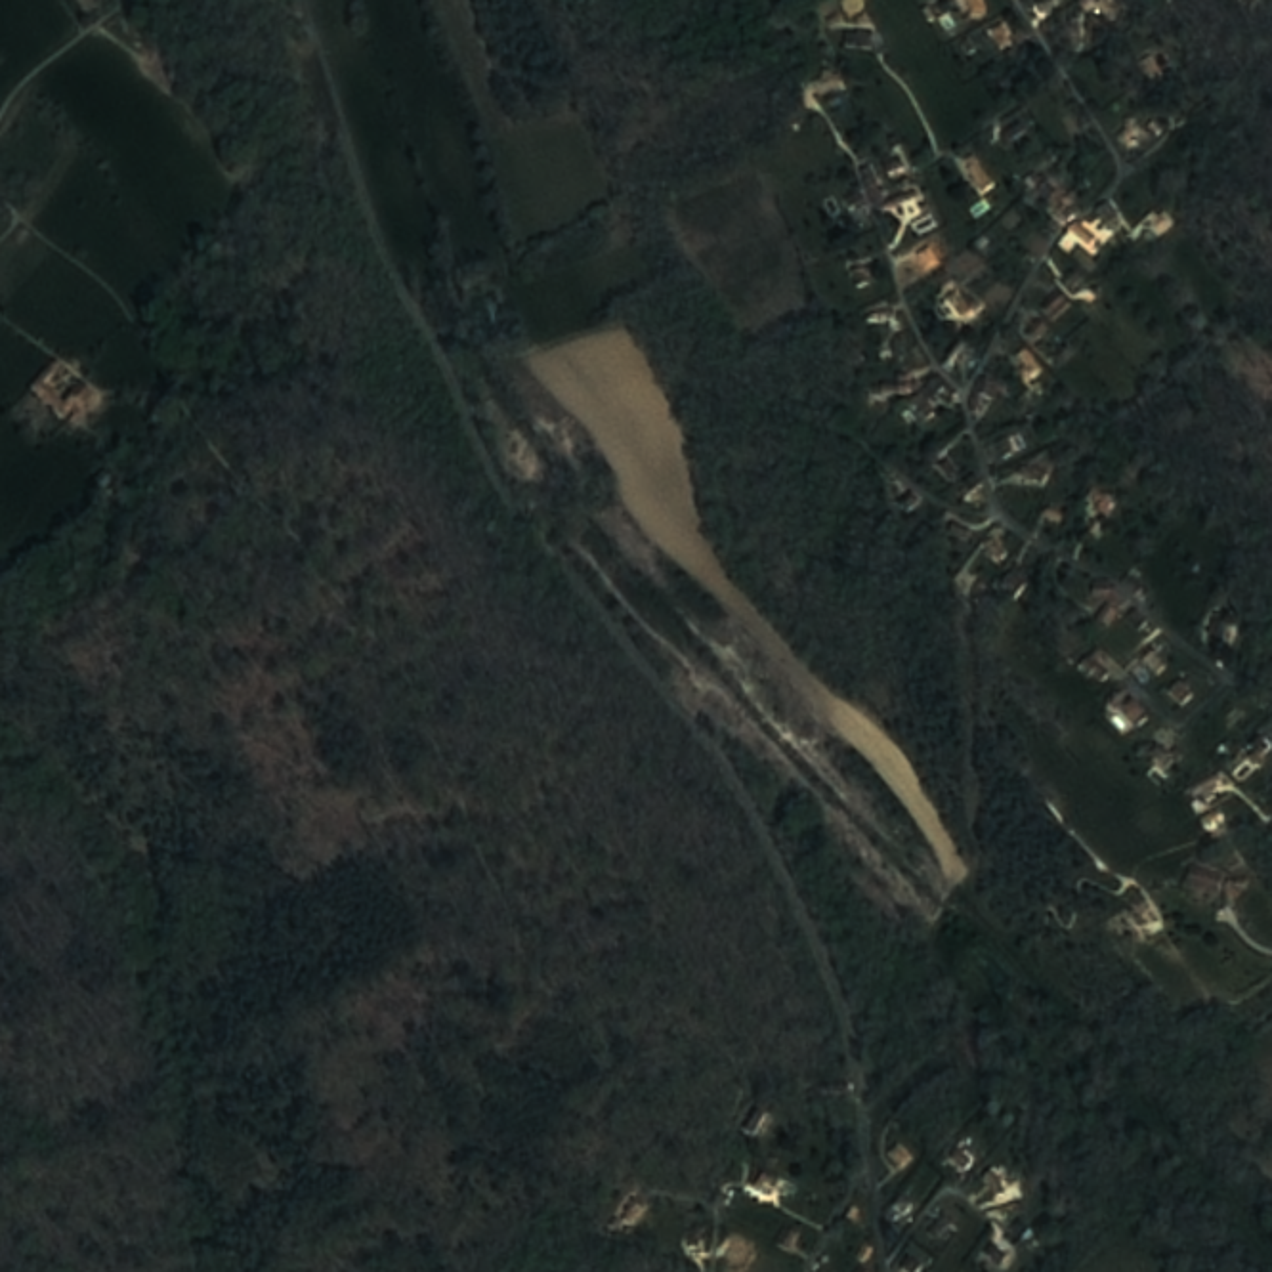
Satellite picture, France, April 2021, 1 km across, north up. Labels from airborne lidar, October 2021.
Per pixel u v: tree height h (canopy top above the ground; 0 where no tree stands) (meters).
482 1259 17
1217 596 17
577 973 21
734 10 18
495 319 12
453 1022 16
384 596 21
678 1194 20
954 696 13
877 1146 6
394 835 14
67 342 0
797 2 20
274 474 23
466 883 18
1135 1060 24
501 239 17
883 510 7
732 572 15
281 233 22
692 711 0
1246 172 13
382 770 21
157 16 21
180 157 0
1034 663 0
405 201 0
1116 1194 23
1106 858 0
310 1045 13
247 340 13
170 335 22
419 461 20
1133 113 6
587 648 21
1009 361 12
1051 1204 12
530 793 22
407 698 22
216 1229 21
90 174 0
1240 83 16
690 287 22
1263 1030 6
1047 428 14
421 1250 17
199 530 22
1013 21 8
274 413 21
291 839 10
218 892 16
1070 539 7
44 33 0
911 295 6
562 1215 15
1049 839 13
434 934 17
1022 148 9
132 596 17
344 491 20
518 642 18
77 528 20
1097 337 0
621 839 18
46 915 18
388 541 17
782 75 15
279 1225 18
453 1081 16
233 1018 22
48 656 18
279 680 20
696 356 18
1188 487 19
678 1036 22
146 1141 22
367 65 0
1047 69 19
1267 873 23
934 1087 23
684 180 13
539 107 20
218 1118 7
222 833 14
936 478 7
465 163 0
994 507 0
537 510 24
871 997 21
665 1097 22
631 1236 6
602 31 13
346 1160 15
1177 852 0
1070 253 0
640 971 26
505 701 20
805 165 0
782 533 26
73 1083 17
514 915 20
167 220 0
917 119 0
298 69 22
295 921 23
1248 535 18
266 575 13
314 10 0
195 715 17
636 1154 21
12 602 22
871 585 20
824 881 23
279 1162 19
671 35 18
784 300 0
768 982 25
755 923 24
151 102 0
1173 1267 15
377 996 16
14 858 19
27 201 13
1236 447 17
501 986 20
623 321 18
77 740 17
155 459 13
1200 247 14
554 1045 9
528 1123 19
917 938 24
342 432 18
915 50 0
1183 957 0
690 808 18
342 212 22
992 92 10
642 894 17
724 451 29
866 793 10
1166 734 0
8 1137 19
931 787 12
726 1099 20
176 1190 20
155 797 9
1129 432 19
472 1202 9
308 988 22
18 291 0
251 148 24
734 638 0
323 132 27
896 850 0
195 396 13
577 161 0
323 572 21
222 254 20
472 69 0
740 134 15
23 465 0
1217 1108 17
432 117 0
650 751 20
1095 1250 8
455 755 17
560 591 25
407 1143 14
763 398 23
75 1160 21
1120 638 0
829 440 22
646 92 18
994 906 9
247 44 24
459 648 15
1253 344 24
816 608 21
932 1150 10
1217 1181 13
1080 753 0
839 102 0
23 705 23
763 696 0
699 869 21
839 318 10
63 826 17
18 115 0
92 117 0
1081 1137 15
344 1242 22
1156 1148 28
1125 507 9
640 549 0
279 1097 23
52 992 25
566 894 24
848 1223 8
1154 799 0
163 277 0
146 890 14
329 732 18
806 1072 15
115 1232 22
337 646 20
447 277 17
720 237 0
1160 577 0
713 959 20
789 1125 24
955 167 0
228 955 17
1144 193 0
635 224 8
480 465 22
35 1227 18
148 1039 16
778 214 0
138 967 22
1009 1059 10
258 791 11
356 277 23
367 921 24
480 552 20
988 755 13
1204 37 16
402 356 22
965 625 18
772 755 0
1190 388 18
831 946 19
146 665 17
